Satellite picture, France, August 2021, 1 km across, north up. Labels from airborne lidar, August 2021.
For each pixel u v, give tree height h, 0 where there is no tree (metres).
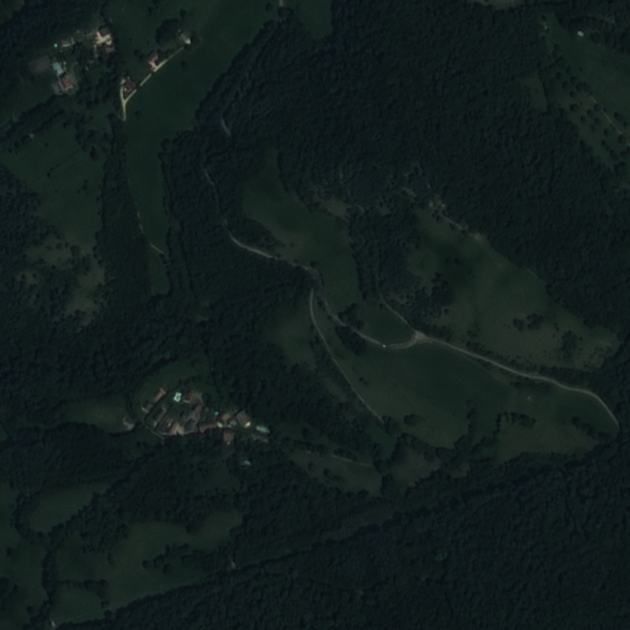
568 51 0
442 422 0
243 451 10
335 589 21
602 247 26
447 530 22
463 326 0
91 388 26
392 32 21
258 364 29
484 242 0
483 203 18
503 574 27
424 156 14
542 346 0
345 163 14
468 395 0
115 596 0
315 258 0
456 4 32
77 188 0
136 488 11
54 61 6
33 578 0
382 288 12
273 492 20
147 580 0
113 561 9
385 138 23
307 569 18
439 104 29
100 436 26
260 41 18
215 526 0
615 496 29
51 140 0
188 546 8
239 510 18
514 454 0
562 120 24
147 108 0
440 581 8
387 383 0
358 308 12
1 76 24
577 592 29
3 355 21
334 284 0
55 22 27
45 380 26
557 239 20
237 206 19
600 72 0
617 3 26
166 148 18
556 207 26
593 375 7
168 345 28
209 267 14
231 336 27
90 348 27
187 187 18
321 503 15
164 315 31
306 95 19
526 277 0
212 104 16
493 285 0
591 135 0
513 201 29
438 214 9
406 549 28
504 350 0
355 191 14
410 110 22
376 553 24
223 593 13
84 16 21
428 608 17
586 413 0
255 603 17
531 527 27
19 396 26
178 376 0
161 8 15
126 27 0
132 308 19
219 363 20
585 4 24
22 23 28
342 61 16
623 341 9
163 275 0
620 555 22
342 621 13
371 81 23
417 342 0
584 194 23
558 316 0
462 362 0
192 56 0
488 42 21
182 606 23
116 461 12
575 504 27
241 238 11
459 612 29
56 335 22
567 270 18
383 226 11
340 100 26
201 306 10
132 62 0
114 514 13
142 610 22
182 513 10
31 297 15
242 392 19
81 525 20
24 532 22
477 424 10
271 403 17
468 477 7
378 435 0
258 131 23
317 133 17
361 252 14
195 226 17
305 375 13
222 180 18
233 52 0
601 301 14
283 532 20
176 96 0
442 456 18
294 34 18
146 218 0
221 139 18
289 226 0
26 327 12
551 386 6
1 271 17
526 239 26
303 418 16
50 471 19
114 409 0
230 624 23
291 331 0
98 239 8
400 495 17
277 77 22
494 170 31
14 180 9
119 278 12
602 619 26
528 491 25
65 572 0
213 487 0
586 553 29
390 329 0
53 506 0
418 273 0
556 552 26
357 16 22
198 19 0
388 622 21
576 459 7
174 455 15
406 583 24
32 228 10
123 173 18
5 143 13
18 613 0
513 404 0
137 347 18
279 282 19
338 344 0
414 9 25
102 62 14
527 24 14
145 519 14
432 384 0
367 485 0
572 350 10
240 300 24
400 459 20
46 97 0
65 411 18
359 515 17
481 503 23
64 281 5
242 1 0
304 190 14
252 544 18
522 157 21
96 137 20
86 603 0
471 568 23
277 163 0
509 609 16
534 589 22
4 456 19
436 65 25
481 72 26
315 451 18
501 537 22
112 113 0
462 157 28
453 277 0
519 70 13
